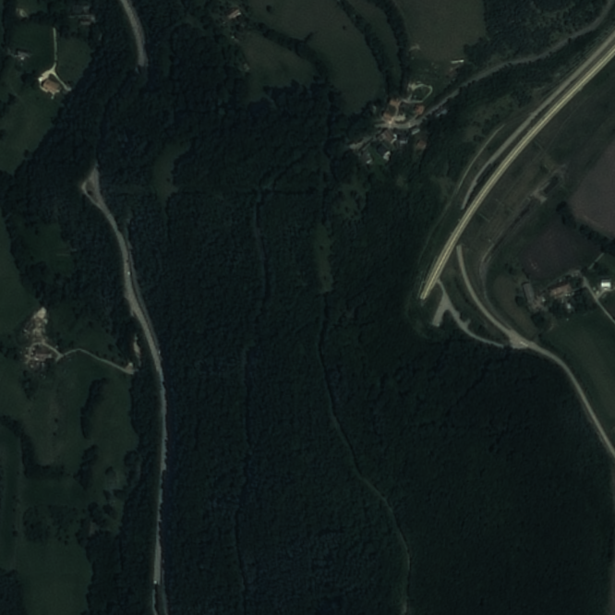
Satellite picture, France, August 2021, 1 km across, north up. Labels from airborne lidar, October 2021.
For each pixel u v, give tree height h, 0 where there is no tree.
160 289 14
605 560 11
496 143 0
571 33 10
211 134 22
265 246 10
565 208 21
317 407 19
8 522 0
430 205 14
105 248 18
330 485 12
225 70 8
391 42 0
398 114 0
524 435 29
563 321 0
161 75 22
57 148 28
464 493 21
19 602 18
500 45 10
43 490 0
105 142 20
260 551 26
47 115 0
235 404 28
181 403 19
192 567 24
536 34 10
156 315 14
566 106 0
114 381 0
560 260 0
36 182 19
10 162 0
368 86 0
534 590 25
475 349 16
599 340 0
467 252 0
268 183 15
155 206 15
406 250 23
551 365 19
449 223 0
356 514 10
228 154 33
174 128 19
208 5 12
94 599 21
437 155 16
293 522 21
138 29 0
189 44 32
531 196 0
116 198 11
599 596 12
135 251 11
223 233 8
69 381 0
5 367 0
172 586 15
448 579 21
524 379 21
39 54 0
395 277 21
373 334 30
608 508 8
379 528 18
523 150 0
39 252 0
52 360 6
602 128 0
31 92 0
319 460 16
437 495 23
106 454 0
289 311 16
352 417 19
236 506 22
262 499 32
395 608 14
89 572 0
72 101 21
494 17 11
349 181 19
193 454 29
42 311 0
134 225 6
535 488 26
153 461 18
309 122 29
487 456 30
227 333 28
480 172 0
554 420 18
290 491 24
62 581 0
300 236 9
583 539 21
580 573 17
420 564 13
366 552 27
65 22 17
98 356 7
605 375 0
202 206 16
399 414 34
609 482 10
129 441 0
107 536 20
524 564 28
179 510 27
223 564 27
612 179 0
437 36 0
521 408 25
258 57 0
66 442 0
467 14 0
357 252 22
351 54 0
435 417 30
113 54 21
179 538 29
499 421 25
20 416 0
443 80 0
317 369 18
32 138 0
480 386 24
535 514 25
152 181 14
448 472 24
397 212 19
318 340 13
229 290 20
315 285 11
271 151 22
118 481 0
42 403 0
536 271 0
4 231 0
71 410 0
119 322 14
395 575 14
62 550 0
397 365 16
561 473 22
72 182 18
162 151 8
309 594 24
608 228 0
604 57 0
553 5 10
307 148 21
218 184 9
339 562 32
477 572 22
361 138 13
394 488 13
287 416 29
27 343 0
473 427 23
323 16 0
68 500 0
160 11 19
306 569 33
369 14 0
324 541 33
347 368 27
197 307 20
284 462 30
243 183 18
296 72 0
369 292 33
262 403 22
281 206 10
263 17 0
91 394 11
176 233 21
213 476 11
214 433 29
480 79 8
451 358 30
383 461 28
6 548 0
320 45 0
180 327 18
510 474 27
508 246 0
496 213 0
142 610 17
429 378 30
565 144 0
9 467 0
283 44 21
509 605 25
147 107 14
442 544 19
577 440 11
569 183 0
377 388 33
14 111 0
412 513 19
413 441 30
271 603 27
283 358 28
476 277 0
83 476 21
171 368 26
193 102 25
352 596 29
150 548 11
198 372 28
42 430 0
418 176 14
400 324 20
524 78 11
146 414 17
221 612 20
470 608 24
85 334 0
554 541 26
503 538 23
